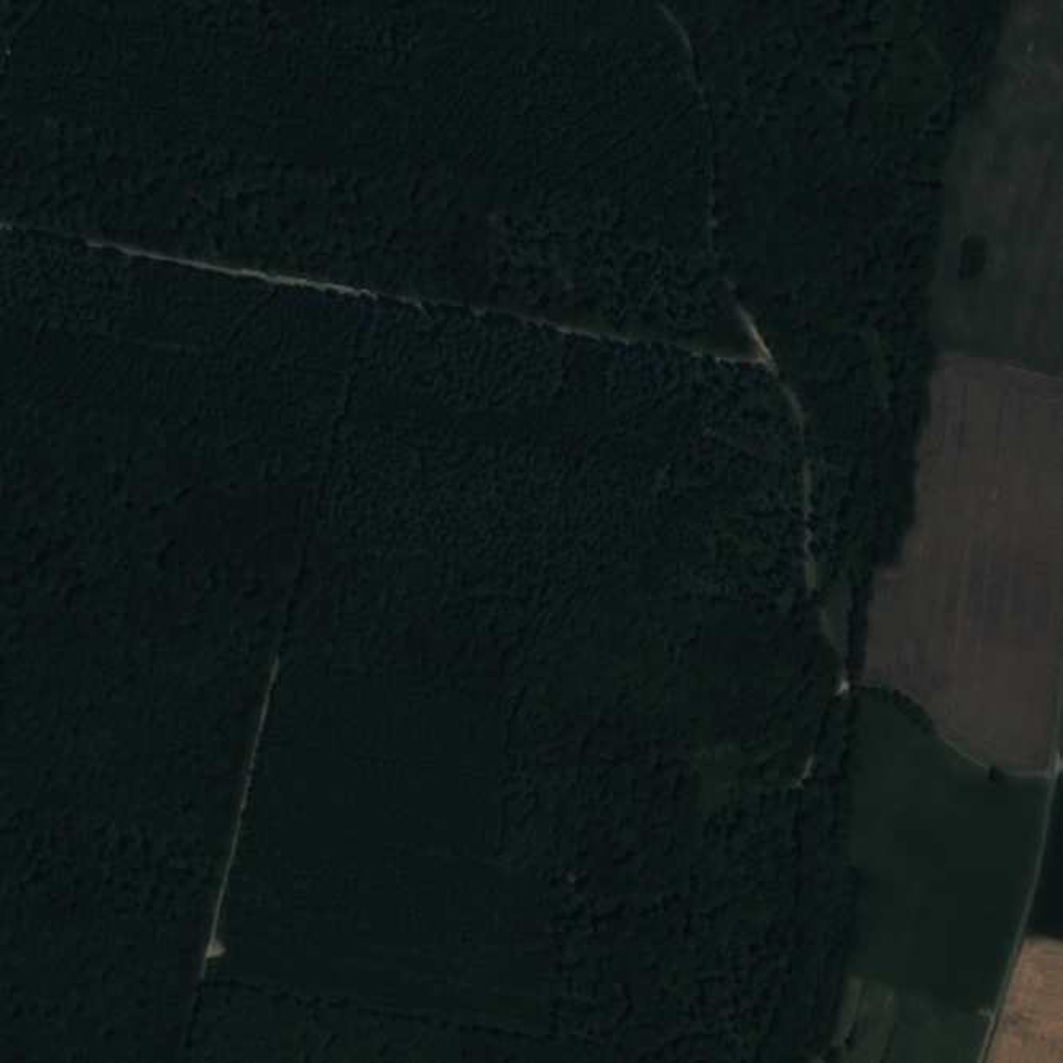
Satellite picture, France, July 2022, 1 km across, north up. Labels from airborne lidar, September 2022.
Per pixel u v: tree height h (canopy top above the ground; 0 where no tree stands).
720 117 21
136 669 19
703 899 26
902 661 0
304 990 6
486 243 24
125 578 25
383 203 28
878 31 28
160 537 26
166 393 20
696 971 14
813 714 25
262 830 8
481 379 40
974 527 0
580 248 7
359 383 23
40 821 22
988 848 0
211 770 22
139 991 23
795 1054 18
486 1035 20
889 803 0
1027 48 0
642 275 17
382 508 35
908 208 20
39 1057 22
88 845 11
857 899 21
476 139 16
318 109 20
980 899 0
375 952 6
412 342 40
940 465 0
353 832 13
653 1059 24
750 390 26
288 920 6
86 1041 26
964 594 0
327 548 22
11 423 21
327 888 8
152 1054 25
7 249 35
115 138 20
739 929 27
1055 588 0
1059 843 0
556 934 7
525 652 27
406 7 17
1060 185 0
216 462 28
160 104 20
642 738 28
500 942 7
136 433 28
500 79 18
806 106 25
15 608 19
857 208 23
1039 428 0
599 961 14
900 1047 0
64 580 8
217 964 6
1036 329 0
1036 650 0
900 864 0
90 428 27
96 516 25
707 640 23
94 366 19
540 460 30
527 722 18
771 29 30
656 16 25
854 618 16
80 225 22
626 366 36
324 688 13
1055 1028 0
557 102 17
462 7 19
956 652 0
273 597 22
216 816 20
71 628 24
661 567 16
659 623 19
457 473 32
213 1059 16
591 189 17
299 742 14
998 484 0
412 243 23
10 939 18
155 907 20
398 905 6
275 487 24
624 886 22
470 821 11
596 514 31
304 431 17
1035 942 0
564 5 21
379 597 24
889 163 24
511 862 17
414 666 15
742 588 10
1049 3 0
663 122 18
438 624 24
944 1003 0
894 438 27
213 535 26
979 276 7
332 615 17
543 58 17
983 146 0
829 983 24
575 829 24
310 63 20
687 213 15
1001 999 0
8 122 20
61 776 25
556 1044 24
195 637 22
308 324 20
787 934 9
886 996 0
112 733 20
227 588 26
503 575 16
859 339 16
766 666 30
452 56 21
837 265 27
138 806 21
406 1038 18
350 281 20
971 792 0
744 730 20
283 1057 19
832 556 26
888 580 0
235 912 8
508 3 20
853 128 24
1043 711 0
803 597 25
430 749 13
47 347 20
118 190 24
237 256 22
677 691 19
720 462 33
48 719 22
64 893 24
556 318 24
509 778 8
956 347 0
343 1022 19
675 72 19
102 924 21
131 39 15
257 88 19
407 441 28
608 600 16
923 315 30
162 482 27
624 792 33
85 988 25
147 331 20
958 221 0
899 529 23
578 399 24
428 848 11
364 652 20
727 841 13
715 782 0
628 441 20
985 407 0
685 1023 28
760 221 27
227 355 19
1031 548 0
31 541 26
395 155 19
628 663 21
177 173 24
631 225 18
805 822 25
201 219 25
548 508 29
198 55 19
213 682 16
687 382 36
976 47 12
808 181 22
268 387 17
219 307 22
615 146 13
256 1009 20
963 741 0
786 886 18
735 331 28
